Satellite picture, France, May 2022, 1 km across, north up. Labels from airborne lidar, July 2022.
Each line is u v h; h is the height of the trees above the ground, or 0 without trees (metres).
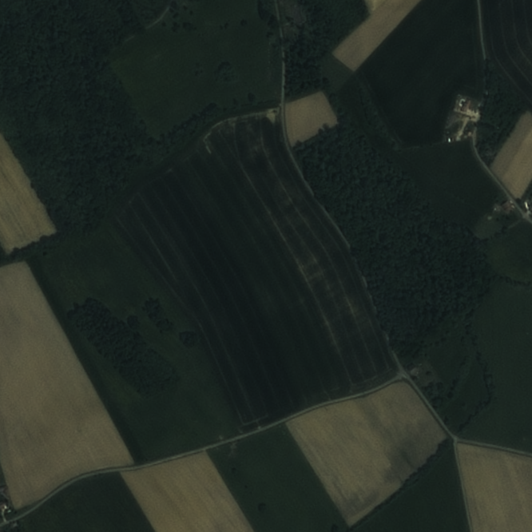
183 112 0
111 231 0
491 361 0
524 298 0
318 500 0
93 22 29
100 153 27
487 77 15
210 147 0
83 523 0
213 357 0
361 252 22
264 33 0
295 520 0
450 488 0
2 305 0
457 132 0
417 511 0
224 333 0
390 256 23
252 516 0
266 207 0
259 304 0
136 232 0
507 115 11
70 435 0
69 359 0
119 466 0
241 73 0
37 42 20
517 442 0
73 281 0
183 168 0
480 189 0
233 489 0
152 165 22
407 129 0
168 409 0
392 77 0
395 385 0
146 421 0
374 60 0
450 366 0
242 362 0
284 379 0
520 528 0
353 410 0
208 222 0
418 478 8
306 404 0
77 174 32
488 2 0
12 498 0
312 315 0
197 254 0
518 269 0
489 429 0
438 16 0
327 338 0
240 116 0
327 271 0
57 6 16
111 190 24
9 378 0
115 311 0
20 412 0
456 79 0
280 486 0
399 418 0
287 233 0
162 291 0
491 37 0
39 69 17
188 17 0
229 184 0
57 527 0
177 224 0
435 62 0
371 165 22
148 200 0
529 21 0
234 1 0
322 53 15
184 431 0
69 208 21
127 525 0
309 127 0
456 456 0
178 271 0
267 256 0
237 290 0
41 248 15
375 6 0
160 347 0
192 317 0
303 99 0
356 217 23
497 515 0
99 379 0
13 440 0
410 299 32
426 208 18
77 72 26
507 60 0
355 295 0
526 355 0
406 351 8
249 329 0
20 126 23
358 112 0
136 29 25
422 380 0
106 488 0
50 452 0
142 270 0
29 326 0
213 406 0
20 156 20
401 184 24
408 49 0
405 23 0
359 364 0
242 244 0
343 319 0
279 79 0
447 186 0
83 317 17
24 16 22
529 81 0
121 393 0
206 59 0
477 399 0
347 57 0
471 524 0
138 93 0
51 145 21
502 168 0
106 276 0
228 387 0
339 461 0
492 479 0
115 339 22
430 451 0
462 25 0
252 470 0
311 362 0
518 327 0
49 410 0
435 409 15
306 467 0
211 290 0
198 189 0
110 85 26
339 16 18
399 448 0
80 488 0
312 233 0
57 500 0
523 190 0
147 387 17
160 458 0
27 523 0
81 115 29
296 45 22
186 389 0
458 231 23
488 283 16
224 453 0
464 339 8
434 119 0
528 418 0
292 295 0
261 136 0
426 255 27
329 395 0
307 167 19
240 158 0
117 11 14
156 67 0
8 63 24
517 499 0
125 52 0
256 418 0
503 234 15
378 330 0
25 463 0
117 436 0
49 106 25
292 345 0
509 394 0
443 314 7
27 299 0
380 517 0
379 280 25
